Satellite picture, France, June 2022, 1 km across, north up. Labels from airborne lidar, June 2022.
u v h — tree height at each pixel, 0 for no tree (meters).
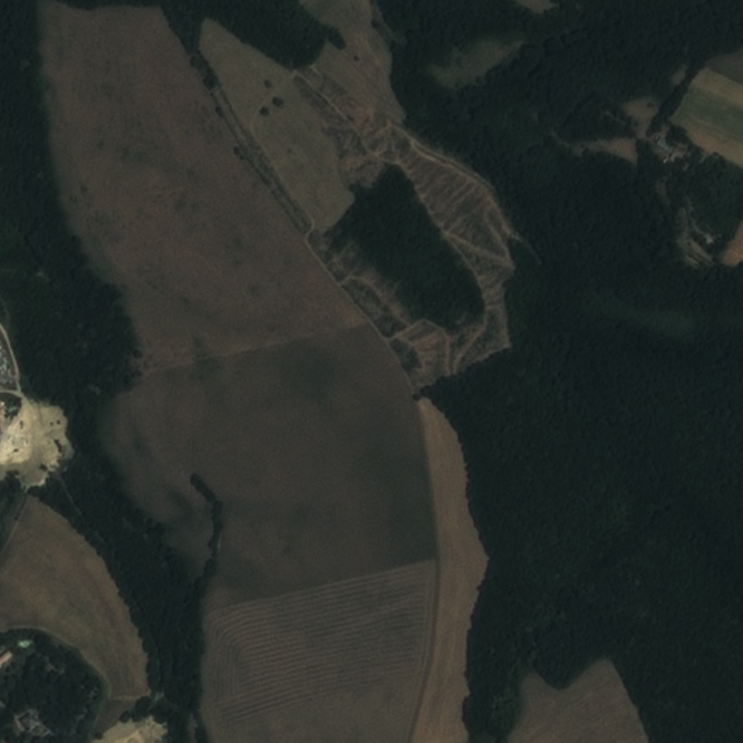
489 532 17
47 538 0
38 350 10
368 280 0
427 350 0
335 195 0
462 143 21
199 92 0
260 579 0
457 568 0
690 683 12
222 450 0
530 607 15
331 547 0
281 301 0
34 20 21
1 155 20
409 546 0
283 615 0
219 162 0
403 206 9
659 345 17
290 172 0
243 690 0
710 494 15
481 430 16
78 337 23
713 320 6
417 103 20
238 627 0
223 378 0
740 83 0
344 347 0
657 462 12
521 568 11
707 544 17
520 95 14
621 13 26
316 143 0
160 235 0
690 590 14
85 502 17
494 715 22
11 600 0
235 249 0
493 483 14
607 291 15
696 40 17
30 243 18
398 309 0
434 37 16
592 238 14
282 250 0
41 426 0
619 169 19
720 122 0
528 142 6
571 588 18
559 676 14
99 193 0
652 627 12
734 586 12
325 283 0
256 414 0
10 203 20
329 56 0
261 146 0
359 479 0
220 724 0
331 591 0
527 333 19
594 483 13
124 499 16
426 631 0
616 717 0
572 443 23
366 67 0
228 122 0
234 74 0
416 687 0
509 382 13
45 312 8
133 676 0
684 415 13
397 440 0
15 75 25
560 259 24
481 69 0
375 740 0
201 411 0
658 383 20
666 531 17
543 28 21
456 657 0
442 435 0
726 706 19
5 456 0
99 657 0
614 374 16
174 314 0
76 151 0
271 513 0
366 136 0
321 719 0
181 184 0
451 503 0
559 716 0
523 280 11
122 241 0
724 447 10
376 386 0
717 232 7
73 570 0
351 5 0
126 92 0
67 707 24
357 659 0
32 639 14
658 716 14
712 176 9
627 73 9
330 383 0
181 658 19
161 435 0
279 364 0
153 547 14
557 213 14
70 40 0
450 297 8
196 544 0
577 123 14
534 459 17
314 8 0
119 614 0
